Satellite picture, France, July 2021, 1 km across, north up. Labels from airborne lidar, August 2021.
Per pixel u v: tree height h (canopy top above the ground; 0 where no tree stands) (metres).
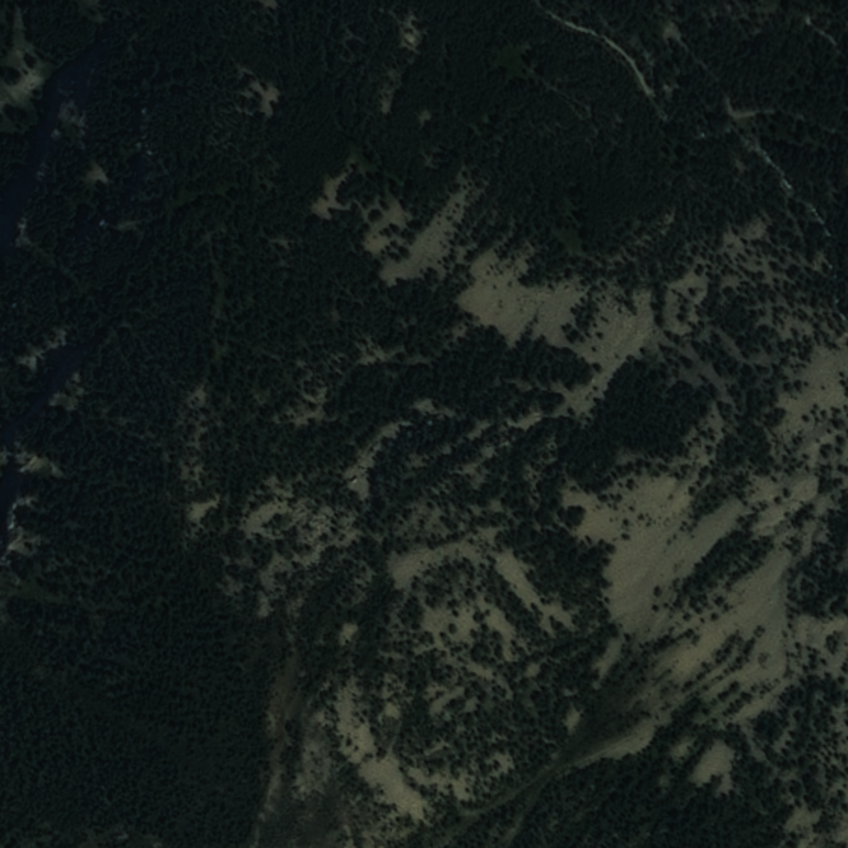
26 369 11
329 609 6
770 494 0
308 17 25
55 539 11
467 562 9
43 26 25
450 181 21
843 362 0
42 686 8
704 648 0
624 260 6
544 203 19
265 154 9
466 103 27
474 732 5
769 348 9
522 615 12
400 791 0
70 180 21
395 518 6
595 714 6
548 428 11
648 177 25
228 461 13
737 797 8
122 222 7
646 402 15
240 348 13
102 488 12
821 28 16
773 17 13
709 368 0
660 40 12
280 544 11
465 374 14
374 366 15
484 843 13
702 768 0
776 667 0
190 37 19
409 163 15
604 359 0
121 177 15
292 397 12
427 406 0
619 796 15
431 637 7
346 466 12
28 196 46
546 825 10
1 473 0
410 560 0
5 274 17
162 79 15
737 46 22
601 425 17
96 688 6
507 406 11
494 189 13
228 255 18
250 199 20
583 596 9
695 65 21
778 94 26
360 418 14
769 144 17
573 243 0
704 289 0
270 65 19
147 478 12
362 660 6
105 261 17
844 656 0
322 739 0
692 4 16
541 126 18
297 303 15
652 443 14
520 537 12
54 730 10
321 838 0
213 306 8
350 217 18
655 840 7
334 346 13
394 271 0
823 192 19
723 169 16
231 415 8
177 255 16
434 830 8
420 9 16
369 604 7
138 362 11
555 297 0
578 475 14
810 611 7
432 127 20
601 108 17
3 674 15
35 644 6
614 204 24
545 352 16
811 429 0
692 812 13
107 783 10
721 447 9
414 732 11
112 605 10
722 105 17
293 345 14
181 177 12
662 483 0
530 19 21
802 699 11
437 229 0
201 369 12
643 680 8
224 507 11
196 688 7
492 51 24
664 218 8
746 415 8
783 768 6
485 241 15
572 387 21
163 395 8
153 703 9
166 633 6
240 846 6
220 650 8
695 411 9
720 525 0
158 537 14
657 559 0
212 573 7
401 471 6
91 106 13
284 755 7
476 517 8
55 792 13
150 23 26
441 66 20
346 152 27
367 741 0
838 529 12
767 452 13
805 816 0
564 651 13
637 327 0
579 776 8
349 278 14
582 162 18
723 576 8
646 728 0
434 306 8
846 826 0
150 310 14
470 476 12
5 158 22
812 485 0
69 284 22
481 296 0
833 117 21
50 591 13
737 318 13
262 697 6
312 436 14
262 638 7
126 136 18
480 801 7
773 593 0
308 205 17
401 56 18
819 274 14
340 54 19
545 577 11
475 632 9
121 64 22
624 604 0
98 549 12
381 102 8
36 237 15
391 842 7
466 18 22
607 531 0
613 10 30
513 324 0
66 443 11
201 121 10
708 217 12
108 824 7
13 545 0
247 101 20
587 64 15
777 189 21
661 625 0
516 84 18
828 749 6
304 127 20
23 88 0
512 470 11
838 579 12
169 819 6
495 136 14
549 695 19
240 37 13
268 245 18
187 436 5
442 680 13
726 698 8
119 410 10
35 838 7
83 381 6
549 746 16
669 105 17
